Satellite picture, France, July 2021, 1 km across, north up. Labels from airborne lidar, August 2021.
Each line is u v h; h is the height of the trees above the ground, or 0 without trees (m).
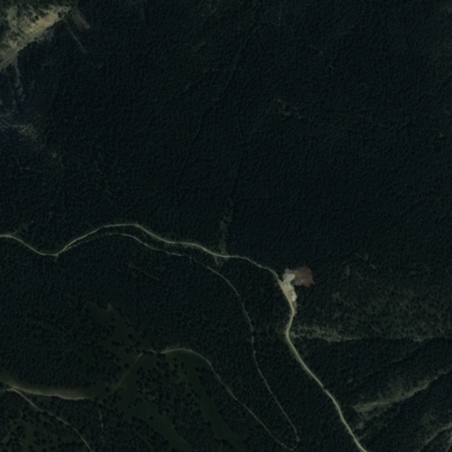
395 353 20
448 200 18
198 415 22
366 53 22
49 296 23
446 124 15
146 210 22
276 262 18
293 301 0
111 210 23
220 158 22
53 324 24
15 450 15
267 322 15
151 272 17
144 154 20
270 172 22
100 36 14
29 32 0
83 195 24
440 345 22
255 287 20
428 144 25
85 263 22
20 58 10
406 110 20
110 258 23
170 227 19
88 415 23
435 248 18
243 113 19
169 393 14
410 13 24
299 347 11
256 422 14
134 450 25
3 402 19
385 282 6
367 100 20
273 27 15
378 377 17
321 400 26
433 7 17
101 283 15
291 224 23
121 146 22
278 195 21
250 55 28
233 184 11
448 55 12
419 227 24
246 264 12
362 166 21
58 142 20
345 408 20
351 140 22
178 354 0
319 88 29
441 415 12
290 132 26
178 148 21
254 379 23
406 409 19
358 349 14
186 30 14
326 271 12
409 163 23
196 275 20
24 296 20
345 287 17
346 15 20
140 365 0
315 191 23
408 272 20
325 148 21
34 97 11
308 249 20
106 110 12
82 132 15
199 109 17
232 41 27
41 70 16
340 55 29
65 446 16
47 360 21
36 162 22
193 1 16
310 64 19
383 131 17
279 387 21
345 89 19
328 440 25
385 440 19
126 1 10
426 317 7
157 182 21
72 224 26
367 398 10
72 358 18
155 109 23
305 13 11
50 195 17
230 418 22
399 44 17
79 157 13
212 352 18
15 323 24
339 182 26
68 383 19
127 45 16
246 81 27
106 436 24
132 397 0
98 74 15
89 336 15
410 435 9
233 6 18
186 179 25
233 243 13
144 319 22
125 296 17
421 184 21
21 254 15
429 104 22
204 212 17
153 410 0
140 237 16
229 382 19
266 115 19
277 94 20
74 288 26
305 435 20
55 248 25
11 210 19
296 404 26
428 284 16
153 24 23
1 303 22
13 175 8
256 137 19
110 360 19
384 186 23
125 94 18
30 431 0
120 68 17
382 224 16
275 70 22
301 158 28
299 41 23
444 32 16
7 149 9
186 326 17
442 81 14
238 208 25
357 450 14
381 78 21
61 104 20
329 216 23
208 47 20
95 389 0
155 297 21
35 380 19
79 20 0
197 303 19
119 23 23
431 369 18
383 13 25
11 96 10
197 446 21
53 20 0
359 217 25
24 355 25
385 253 20
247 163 21
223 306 18
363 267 16
